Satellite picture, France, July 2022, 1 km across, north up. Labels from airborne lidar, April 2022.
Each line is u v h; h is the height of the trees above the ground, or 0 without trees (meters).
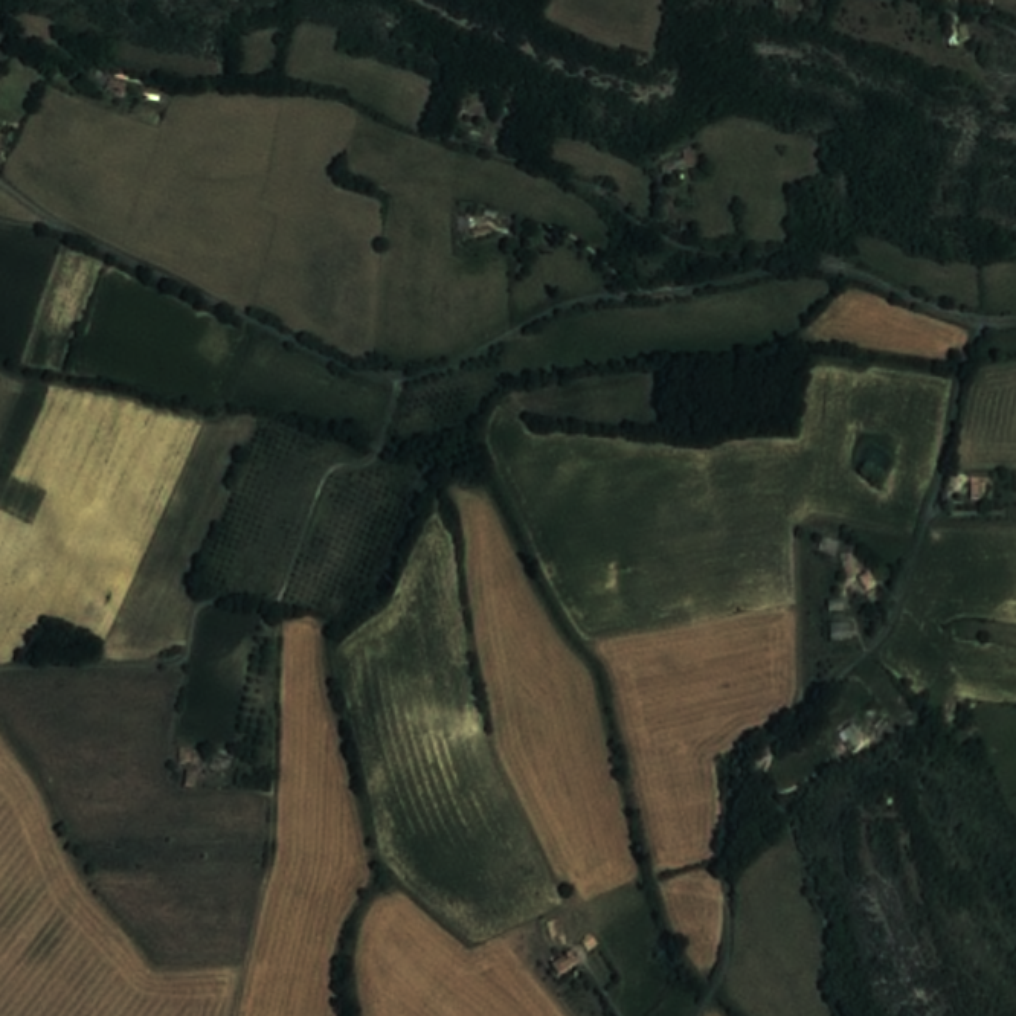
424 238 0
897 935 0
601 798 0
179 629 0
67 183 0
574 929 0
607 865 0
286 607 15
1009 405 0
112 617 0
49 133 0
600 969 0
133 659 0
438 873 0
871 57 8
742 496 0
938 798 6
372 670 0
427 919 0
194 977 0
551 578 0
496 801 0
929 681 0
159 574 0
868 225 6
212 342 0
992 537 0
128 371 0
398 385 0
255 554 0
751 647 0
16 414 0
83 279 0
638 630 0
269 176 0
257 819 0
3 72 13
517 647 0
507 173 0
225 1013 0
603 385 0
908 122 9
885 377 0
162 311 0
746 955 0
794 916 0
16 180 0
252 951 0
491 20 10
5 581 0
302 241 0
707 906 0
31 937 0
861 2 0
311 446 0
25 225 0
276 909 0
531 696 0
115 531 0
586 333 0
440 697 0
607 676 0
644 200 0
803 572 0
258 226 0
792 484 0
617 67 8
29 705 0
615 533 0
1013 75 0
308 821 0
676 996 0
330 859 0
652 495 0
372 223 0
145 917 0
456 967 0
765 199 0
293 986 0
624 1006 0
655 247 16
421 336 0
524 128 18
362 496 0
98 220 0
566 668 0
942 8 12
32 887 0
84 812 0
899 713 0
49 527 0
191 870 0
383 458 16
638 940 0
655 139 11
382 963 0
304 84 6
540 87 7
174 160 0
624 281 13
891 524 0
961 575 0
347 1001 18
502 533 0
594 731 0
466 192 0
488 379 0
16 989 0
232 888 0
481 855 0
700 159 8
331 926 0
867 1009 13
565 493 0
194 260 0
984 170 9
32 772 0
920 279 0
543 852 0
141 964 0
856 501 0
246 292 0
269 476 0
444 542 0
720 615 0
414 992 0
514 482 0
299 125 0
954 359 15
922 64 11
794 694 0
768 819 17
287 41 9
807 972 0
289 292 0
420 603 0
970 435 0
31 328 0
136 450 0
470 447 13
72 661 23
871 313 0
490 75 11
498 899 0
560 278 0
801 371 16
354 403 0
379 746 0
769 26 8
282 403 0
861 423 0
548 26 12
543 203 0
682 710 0
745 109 13
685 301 6
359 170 0
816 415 0
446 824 0
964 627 0
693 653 0
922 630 0
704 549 0
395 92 0
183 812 0
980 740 6
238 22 11
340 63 0
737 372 24
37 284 0
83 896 0
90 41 15
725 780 8
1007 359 7
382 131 0
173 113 0
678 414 21
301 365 0
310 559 0
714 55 15
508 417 0
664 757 0
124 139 0
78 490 0
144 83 14
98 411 0
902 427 0
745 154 0
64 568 0
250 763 8
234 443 0
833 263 0
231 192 0
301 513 0
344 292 0
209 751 14
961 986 7
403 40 9
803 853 10
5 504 0
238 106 0
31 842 0
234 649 0
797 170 0
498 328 0
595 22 0
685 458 0
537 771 0
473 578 0
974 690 0
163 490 0
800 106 7
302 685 0
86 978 0
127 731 0
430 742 0
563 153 0
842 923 8
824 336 0
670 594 0
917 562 0
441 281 0
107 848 0
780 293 0
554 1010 0
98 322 0
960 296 0
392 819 0
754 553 0
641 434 21
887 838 7
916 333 0
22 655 11
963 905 7
